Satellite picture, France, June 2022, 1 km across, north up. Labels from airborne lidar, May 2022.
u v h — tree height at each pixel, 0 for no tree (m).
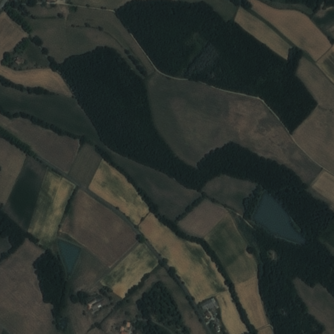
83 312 6
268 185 22
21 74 0
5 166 0
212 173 17
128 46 0
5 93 0
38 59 0
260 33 0
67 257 0
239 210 0
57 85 0
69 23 0
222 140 0
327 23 0
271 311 9
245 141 0
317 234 25
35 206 0
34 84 0
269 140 0
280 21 0
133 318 0
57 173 6
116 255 0
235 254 0
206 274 0
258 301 0
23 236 18
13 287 0
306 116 11
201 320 12
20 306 0
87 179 0
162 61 14
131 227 0
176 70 15
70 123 0
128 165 0
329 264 24
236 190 0
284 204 24
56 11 0
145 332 8
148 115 16
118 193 0
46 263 20
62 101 0
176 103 0
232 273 0
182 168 18
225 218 0
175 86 0
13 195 0
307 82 0
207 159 14
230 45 12
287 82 11
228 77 14
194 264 0
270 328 0
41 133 0
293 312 12
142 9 18
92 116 15
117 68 19
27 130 0
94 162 0
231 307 0
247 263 0
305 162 0
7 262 0
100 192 0
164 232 0
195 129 0
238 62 11
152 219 0
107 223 0
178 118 0
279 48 0
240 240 0
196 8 18
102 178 0
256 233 10
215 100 0
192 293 0
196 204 19
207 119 0
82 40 0
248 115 0
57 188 0
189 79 13
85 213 0
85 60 19
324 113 0
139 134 14
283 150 0
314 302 0
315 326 6
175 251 0
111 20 0
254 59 12
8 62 17
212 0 0
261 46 12
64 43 0
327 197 0
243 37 12
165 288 9
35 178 0
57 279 21
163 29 14
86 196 0
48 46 0
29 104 0
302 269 22
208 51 16
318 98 0
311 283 16
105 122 13
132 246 0
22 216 0
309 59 0
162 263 13
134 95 12
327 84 0
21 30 0
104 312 0
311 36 0
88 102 14
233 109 0
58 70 8
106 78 15
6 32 0
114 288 0
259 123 0
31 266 0
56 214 0
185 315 0
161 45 15
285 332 17
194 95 0
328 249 27
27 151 20
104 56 17
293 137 0
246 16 0
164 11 21
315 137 0
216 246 0
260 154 0
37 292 0
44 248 11
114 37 0
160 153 16
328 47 0
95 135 0
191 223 0
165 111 0
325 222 19
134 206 0
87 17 0
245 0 29
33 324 0
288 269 17
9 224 18
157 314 23
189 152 0
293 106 14
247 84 9
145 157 13
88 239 0
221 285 0
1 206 8
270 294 15
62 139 0
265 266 13
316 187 0
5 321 0
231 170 23
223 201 0
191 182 15
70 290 0
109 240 0
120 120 11
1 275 0
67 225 0
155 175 0
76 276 0
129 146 17
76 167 0
